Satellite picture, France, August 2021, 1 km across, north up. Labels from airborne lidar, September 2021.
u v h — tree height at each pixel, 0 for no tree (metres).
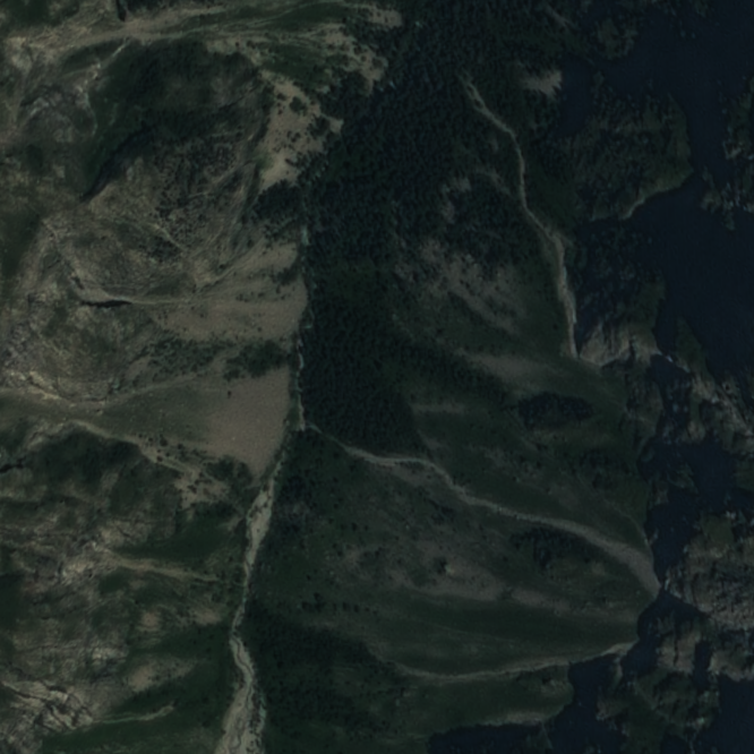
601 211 0
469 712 0
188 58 7
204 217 23
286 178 8
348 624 0
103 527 0
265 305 0
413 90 16
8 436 0
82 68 0
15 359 0
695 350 0
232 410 0
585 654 0
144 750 0
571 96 8
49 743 0
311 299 12
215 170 6
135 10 10
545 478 0
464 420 0
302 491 16
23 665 0
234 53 8
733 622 0
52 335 0
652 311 0
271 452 0
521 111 7
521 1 22
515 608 0
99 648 0
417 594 0
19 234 0
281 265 0
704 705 0
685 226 0
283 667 9
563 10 7
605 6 6
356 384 11
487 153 7
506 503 0
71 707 0
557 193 0
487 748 7
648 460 0
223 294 0
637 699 0
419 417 0
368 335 10
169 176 7
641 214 0
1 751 0
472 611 0
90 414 0
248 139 17
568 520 0
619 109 10
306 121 0
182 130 10
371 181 10
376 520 0
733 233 0
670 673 0
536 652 0
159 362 10
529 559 0
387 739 0
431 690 0
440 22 14
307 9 0
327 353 19
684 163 0
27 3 0
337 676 0
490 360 0
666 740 0
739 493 0
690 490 0
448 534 0
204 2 8
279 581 0
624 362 0
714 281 0
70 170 0
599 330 0
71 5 0
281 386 0
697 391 0
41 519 0
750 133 0
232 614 0
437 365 7
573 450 0
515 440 0
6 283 0
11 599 0
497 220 7
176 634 0
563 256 0
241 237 0
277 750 0
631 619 0
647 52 12
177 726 0
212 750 0
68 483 0
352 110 20
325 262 7
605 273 0
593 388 0
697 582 0
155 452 0
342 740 0
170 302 0
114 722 0
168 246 11
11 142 0
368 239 18
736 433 0
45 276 0
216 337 0
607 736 0
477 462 0
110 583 0
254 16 0
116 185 0
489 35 20
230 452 0
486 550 0
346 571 0
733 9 0
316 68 7
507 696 0
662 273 7
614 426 0
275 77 0
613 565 0
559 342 0
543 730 0
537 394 0
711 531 0
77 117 0
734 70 0
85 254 0
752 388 0
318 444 7
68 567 0
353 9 0
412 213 18
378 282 8
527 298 0
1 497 0
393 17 0
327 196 11
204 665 0
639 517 0
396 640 0
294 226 7
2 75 0
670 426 0
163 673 0
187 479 0
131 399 0
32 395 0
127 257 0
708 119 7
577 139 7
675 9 10
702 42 0
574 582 0
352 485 0
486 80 7
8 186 0
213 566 0
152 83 8
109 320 0
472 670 0
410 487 0
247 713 0
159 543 0
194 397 0
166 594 0
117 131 0
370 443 7
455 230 10
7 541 0
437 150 16
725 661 0
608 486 0
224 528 0
